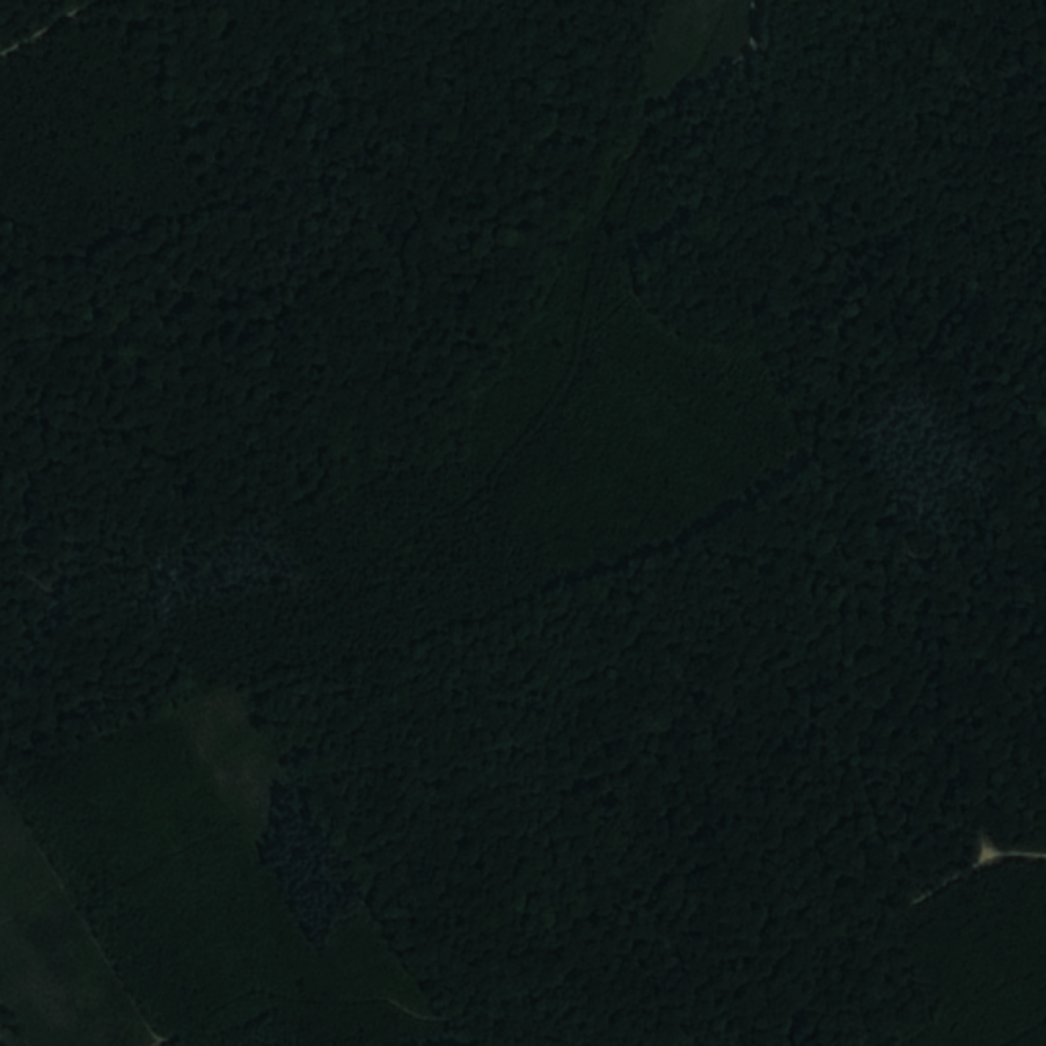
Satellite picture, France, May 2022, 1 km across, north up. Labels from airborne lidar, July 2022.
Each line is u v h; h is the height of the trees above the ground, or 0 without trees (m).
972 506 21
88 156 12
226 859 10
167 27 28
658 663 26
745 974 30
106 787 11
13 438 29
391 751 28
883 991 29
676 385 9
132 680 21
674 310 26
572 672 27
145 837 10
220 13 28
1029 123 29
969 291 25
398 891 22
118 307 29
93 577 26
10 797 9
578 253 8
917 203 24
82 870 14
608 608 24
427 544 17
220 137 28
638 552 7
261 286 19
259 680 20
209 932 10
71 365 26
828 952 25
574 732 25
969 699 29
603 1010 24
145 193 15
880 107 25
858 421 18
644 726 26
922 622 30
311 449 24
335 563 18
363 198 28
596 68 24
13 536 33
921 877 31
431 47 28
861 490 28
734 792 27
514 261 23
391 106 26
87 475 23
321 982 11
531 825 23
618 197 11
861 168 27
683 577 24
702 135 24
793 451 8
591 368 10
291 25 24
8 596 30
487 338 25
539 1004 22
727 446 9
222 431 24
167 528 25
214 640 19
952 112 24
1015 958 10
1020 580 28
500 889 31
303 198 27
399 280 21
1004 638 30
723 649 28
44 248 11
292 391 29
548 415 7
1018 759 28
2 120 12
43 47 11
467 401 21
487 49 30
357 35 24
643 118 22
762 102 25
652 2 25
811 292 30
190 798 9
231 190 21
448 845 28
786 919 29
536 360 10
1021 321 25
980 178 21
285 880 26
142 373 28
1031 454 25
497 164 26
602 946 26
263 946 9
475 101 28
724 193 27
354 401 28
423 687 22
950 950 9
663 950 23
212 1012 9
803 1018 25
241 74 26
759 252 24
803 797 26
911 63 23
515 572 20
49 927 0
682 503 8
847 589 28
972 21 25
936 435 21
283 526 19
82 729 27
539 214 30
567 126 27
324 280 27
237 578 24
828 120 29
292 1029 10
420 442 23
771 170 29
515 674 25
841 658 31
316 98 27
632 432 9
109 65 11
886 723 28
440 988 24
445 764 22
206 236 26
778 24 25
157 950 15
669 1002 26
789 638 30
